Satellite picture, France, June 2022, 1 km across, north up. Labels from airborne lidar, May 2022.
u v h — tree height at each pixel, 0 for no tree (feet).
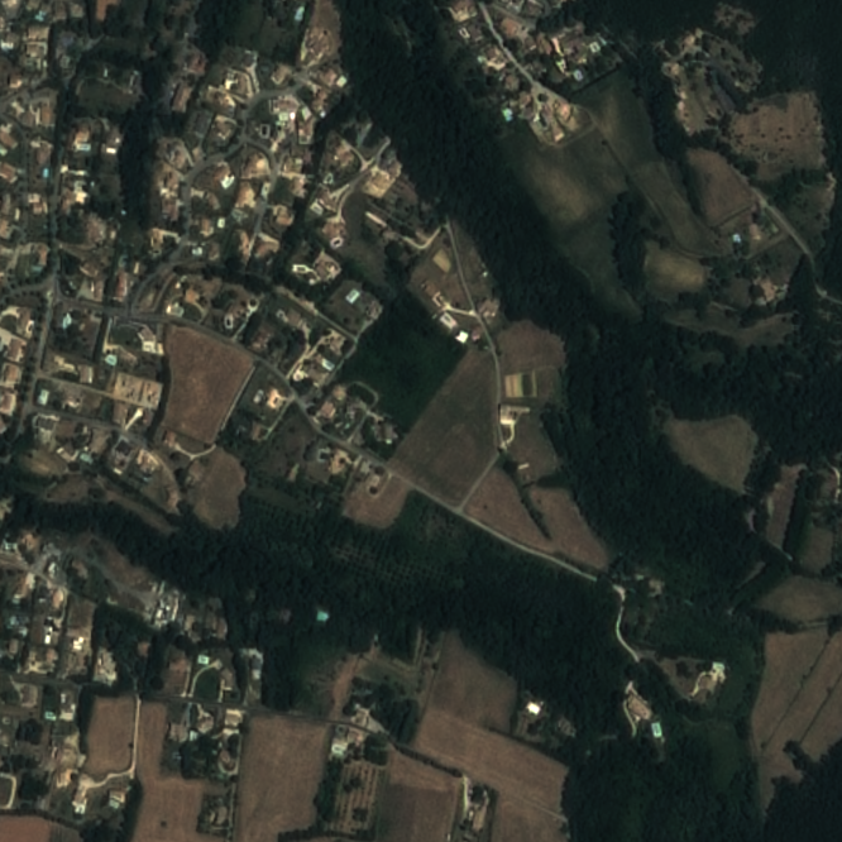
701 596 28
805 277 50
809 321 42
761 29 28
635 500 67
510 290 52
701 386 83
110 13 49
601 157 0
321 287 19
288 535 36
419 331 25
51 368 0
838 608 0
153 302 0
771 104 0
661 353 66
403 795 0
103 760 0
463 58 30
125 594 0
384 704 36
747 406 67
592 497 57
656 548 23
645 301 35
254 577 83
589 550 0
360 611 72
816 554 0
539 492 0
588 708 57
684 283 0
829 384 22
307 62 0
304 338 31
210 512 0
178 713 0
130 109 22
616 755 48
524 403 0
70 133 29
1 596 20
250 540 57
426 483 0
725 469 0
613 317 38
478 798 37
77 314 33
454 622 42
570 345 46
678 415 46
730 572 46
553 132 0
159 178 0
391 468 0
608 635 48
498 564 35
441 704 0
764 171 0
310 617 45
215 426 0
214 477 0
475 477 0
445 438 0
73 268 39
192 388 0
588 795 50
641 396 55
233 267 62
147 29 23
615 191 0
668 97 46
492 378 0
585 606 40
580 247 0
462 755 0
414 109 79
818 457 38
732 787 25
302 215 28
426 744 0
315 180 35
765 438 31
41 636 0
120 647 59
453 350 28
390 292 58
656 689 34
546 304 71
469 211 52
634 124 0
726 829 62
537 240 60
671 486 56
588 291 42
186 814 0
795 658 0
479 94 35
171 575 50
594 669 46
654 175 0
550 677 59
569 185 0
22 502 53
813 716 0
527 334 0
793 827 28
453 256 0
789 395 57
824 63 41
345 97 39
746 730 43
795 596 0
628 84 0
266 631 60
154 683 48
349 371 25
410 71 43
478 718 0
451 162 79
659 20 26
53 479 25
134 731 0
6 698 27
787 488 0
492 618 58
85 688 20
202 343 0
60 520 63
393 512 0
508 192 69
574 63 36
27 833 0
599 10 46
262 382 0
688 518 52
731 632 30
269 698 60
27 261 0
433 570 23
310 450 44
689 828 66
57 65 46
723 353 52
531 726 27
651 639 21
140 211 33
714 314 0
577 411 67
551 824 0
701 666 26
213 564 37
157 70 62
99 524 44
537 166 0
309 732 0
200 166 0
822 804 31
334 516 40
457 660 0
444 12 35
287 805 0
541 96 26
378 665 0
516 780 0
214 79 0
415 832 0
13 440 45
